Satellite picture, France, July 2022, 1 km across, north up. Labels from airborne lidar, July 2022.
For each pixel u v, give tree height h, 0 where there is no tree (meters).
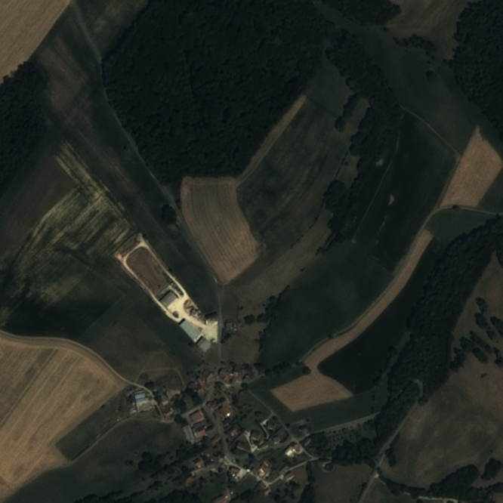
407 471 0
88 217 0
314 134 0
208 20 24
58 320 0
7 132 24
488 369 0
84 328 0
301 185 0
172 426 0
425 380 14
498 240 22
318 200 0
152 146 20
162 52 32
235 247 0
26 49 0
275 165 0
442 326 19
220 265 0
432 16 0
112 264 0
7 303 0
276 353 0
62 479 0
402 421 9
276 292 0
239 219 0
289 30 23
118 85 25
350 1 24
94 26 0
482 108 20
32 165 0
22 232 0
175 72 8
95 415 0
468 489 12
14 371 0
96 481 0
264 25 27
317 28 24
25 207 0
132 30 18
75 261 0
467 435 0
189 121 11
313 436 9
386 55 0
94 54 0
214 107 26
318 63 20
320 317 0
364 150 21
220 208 0
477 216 0
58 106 0
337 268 0
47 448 0
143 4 0
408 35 0
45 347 0
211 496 0
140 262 0
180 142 27
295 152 0
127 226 0
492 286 0
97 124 0
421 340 17
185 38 26
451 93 0
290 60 28
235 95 26
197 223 0
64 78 0
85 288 0
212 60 27
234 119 22
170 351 0
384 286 0
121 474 0
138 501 0
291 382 0
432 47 21
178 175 18
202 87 24
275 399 0
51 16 0
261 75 26
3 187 24
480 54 25
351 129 0
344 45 26
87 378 0
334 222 15
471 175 0
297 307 0
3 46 0
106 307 0
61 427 0
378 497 0
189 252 0
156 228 0
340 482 0
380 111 20
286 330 0
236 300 0
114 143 0
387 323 0
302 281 0
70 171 0
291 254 0
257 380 0
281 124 0
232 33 27
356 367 0
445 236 0
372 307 0
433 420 0
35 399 0
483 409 0
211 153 25
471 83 27
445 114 0
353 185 9
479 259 19
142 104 27
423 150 0
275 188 0
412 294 0
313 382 0
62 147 0
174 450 0
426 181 0
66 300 0
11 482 0
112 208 0
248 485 0
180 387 0
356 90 19
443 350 22
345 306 0
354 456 18
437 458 0
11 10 0
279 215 0
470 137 0
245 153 23
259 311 0
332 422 0
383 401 0
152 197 0
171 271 9
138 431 0
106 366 0
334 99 0
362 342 0
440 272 23
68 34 0
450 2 0
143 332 0
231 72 23
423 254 0
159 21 26
